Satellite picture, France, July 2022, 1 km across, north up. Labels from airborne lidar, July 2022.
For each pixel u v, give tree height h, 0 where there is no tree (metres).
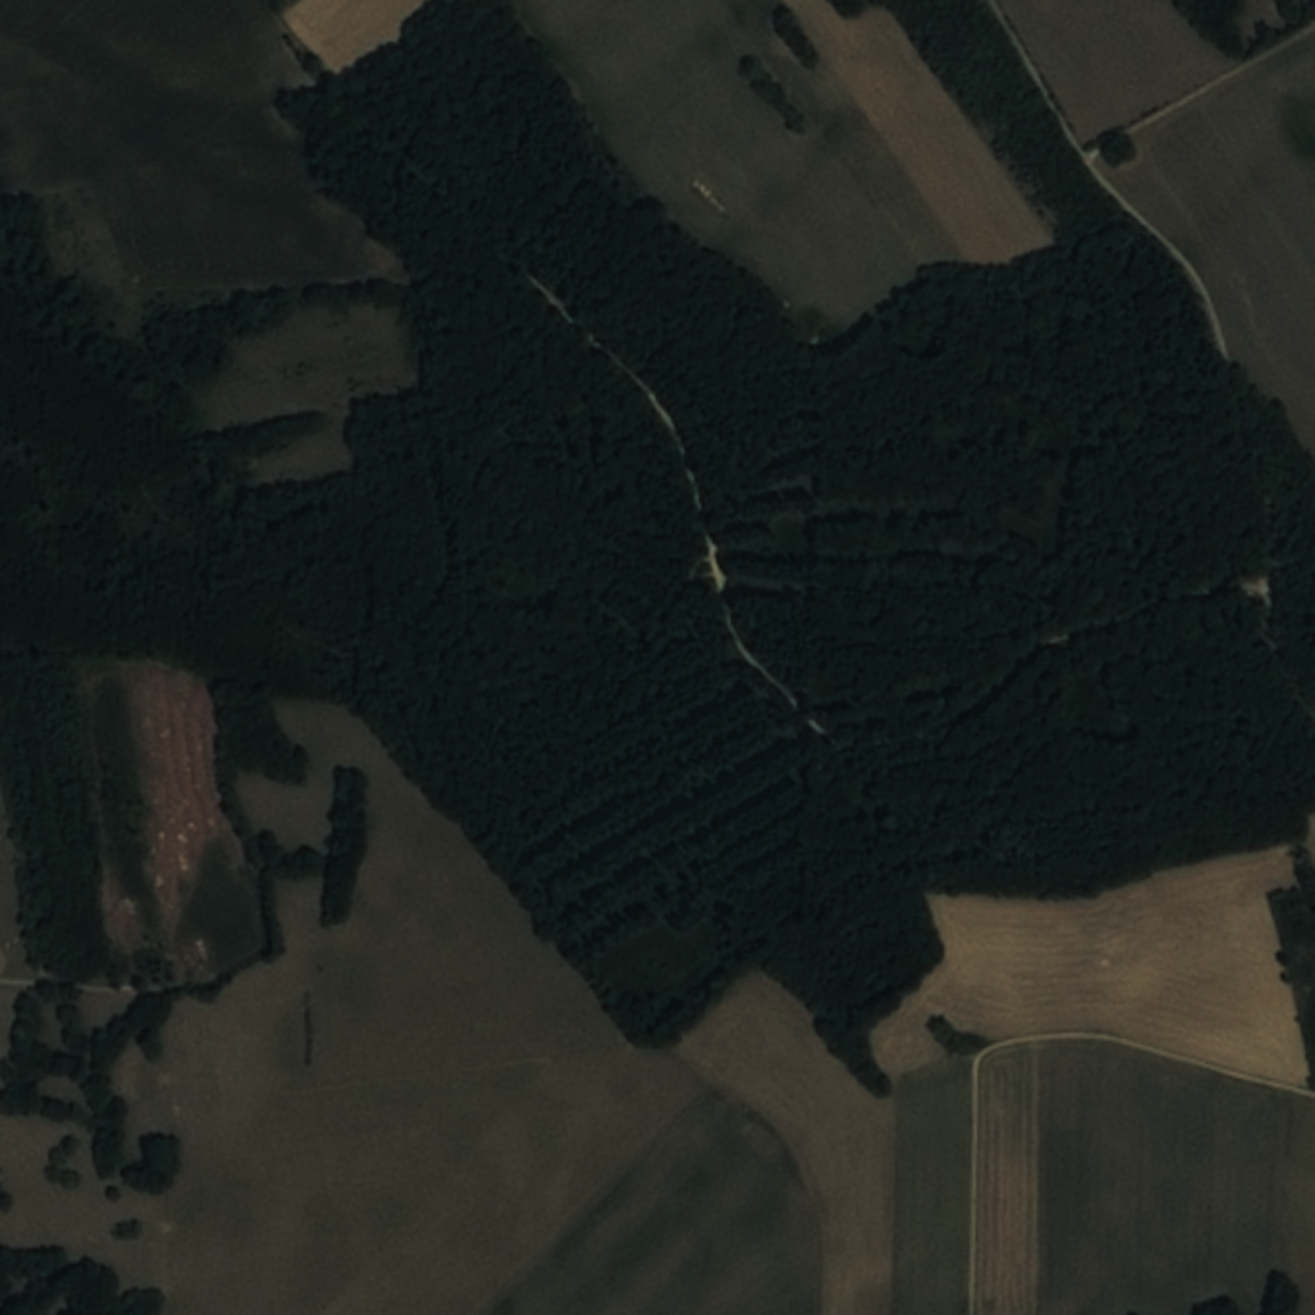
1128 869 16
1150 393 21
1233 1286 0
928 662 18
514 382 25
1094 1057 0
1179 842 14
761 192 0
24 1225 0
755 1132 0
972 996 0
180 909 0
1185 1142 0
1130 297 18
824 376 20
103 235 0
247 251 0
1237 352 0
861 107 0
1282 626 18
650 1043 15
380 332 0
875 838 20
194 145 0
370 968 0
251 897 0
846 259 0
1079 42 0
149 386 19
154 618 8
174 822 0
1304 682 18
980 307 22
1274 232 0
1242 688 20
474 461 20
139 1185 14
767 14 0
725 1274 0
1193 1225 0
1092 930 0
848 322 0
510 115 22
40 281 21
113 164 0
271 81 0
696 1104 0
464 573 21
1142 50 0
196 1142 0
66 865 12
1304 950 0
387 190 21
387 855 0
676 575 24
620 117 0
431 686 18
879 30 0
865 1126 0
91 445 7
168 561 7
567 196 25
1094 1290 0
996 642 25
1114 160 13
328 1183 0
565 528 22
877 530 19
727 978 16
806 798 21
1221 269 0
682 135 0
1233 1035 0
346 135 17
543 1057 0
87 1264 12
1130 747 19
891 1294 0
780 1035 0
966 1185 0
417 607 20
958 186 0
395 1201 0
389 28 0
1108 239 18
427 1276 0
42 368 7
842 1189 0
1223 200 0
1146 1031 0
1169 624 22
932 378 19
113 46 0
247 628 9
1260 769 20
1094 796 23
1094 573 21
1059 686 23
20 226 18
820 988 9
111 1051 15
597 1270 0
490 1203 0
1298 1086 0
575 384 24
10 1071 14
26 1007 15
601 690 26
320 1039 0
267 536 13
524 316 24
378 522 10
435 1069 0
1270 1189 0
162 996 9
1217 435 18
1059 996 0
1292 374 0
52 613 9
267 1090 0
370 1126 0
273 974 0
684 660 26
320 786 0
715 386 23
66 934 14
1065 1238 0
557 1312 0
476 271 19
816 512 23
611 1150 0
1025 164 7
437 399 22
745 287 17
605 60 0
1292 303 0
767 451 19
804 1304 0
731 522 20
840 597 23
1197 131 0
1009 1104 0
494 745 25
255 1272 0
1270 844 12
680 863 25
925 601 25
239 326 17
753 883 25
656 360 25
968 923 0
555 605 16
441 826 0
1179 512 26
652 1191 0
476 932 0
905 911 13
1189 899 0
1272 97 0
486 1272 0
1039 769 24
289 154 0
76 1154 10
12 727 13
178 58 0
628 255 23
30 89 0
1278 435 16
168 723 0
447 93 20
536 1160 0
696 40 0
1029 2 0
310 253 0
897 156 0
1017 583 21
